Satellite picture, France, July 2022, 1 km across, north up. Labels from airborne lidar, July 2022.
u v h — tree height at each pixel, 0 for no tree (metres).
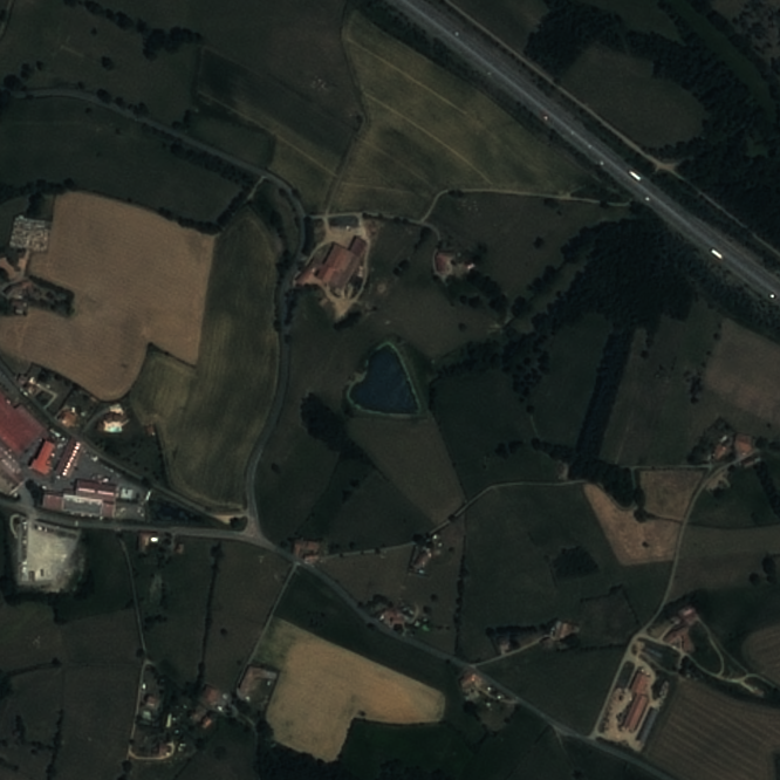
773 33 0
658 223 10
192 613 0
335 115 0
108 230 0
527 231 0
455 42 0
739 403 0
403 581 0
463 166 0
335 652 0
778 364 0
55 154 0
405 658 0
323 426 12
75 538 0
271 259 0
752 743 0
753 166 19
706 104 11
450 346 0
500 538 0
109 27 0
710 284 6
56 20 0
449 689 0
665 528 0
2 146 0
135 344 0
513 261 0
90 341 0
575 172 0
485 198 0
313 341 0
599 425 15
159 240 0
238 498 0
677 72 9
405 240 0
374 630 11
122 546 0
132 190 0
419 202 0
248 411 0
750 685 0
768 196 24
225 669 0
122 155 0
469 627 0
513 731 0
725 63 11
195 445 0
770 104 0
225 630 7
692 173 9
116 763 0
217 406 0
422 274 0
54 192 13
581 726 0
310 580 0
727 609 0
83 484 0
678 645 0
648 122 0
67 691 0
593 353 0
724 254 0
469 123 0
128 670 0
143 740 0
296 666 0
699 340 0
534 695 0
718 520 0
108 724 0
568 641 9
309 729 0
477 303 17
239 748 0
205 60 0
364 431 0
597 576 0
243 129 0
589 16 5
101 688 0
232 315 0
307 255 12
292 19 0
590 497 0
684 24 14
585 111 8
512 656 0
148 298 0
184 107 0
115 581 0
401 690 0
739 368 0
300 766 15
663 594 0
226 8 0
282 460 0
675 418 0
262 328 0
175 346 0
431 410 11
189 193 0
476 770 0
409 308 0
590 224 0
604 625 0
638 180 0
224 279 0
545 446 12
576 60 11
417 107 0
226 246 0
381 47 0
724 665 0
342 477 0
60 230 0
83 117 0
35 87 0
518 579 0
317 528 0
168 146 7
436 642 0
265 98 0
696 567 0
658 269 14
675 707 0
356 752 0
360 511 0
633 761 0
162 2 0
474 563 0
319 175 0
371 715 0
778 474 0
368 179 0
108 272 0
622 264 12
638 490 6
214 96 0
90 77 0
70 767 0
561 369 0
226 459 0
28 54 0
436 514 0
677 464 0
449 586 0
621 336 10
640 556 0
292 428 0
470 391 0
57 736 8
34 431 0
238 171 13
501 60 0
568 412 0
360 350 0
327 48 0
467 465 0
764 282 0
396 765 13
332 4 0
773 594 0
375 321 0
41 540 0
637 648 0
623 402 0
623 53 0
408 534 0
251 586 0
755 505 0
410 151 0
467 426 0
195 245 0
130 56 0
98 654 0
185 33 21
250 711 14
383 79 0
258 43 0
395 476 0
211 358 0
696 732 0
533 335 11
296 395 0
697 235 0
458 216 0
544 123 7
